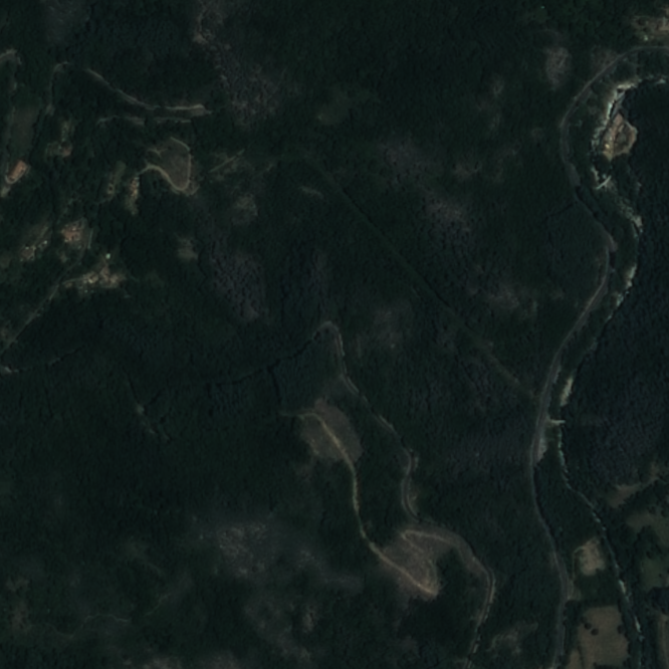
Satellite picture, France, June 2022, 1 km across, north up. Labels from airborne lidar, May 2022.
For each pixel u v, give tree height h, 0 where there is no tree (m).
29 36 20
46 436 18
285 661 12
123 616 0
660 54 15
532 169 15
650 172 10
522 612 12
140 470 20
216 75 9
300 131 15
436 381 11
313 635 10
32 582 6
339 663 11
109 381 14
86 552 7
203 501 7
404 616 6
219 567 0
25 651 6
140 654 8
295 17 18
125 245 18
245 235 16
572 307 11
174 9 10
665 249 18
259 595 0
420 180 13
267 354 20
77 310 18
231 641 14
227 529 0
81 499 8
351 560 10
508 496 17
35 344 16
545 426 0
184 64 14
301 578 9
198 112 0
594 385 12
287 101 11
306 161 9
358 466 17
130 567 7
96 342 21
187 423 19
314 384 26
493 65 10
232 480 12
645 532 14
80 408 15
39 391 22
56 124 16
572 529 23
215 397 36
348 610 6
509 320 13
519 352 16
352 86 7
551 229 31
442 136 9
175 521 11
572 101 8
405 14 13
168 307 7
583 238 30
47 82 14
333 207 14
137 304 7
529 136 9
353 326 18
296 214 15
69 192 9
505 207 22
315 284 20
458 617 11
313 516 0
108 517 14
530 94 12
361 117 15
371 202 20
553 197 20
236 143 14
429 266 14
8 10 6
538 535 15
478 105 6
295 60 12
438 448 20
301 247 13
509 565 27
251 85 15
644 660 7
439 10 13
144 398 18
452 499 23
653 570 0
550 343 16
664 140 17
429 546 0
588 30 13
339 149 14
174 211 16
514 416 20
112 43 21
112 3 14
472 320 19
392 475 9
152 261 15
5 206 8
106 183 14
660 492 17
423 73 19
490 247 14
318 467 7
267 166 8
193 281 24
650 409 17
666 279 26
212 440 20
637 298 7
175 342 20
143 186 20
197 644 7
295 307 37
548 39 8
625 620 15
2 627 10
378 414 14
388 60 24
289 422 13
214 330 9
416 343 16
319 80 8
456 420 19
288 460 6
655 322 23
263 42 15
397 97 11
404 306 0
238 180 8
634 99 12
